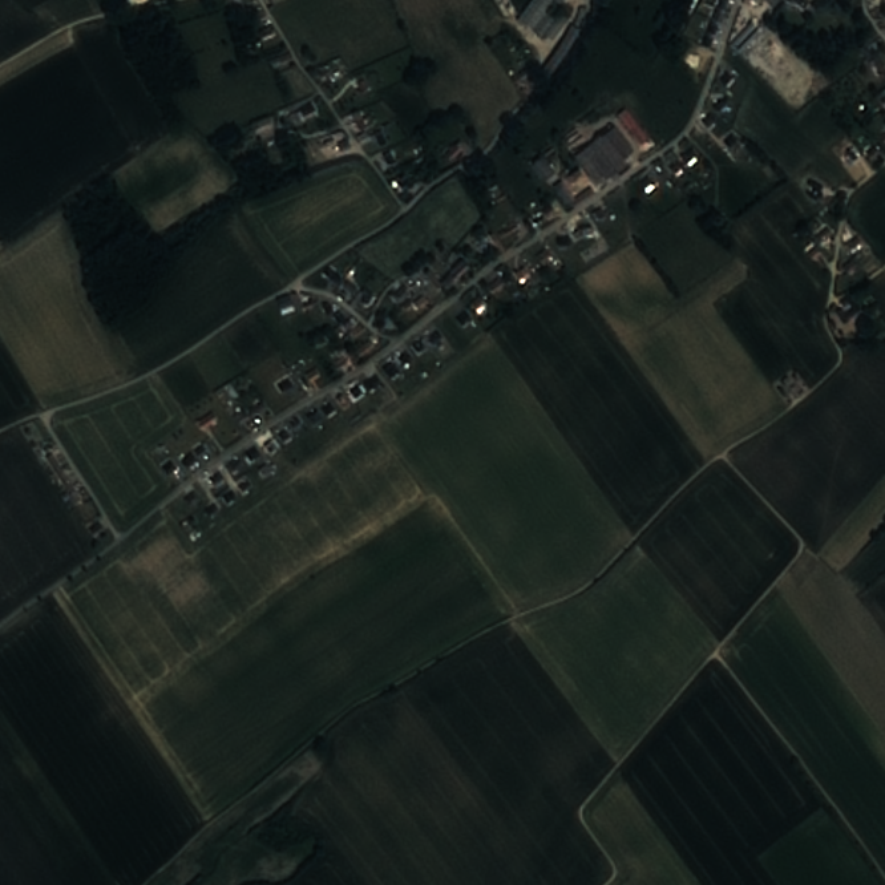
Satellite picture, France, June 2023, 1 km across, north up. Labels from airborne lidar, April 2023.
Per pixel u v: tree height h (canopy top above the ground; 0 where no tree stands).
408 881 0
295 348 0
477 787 0
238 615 0
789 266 0
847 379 0
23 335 0
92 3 0
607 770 0
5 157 0
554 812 0
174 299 0
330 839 0
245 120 0
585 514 0
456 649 0
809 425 0
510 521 0
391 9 0
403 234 0
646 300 0
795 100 0
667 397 0
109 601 0
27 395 0
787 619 0
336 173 0
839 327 0
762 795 0
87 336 0
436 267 0
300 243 0
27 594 0
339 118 0
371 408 0
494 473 0
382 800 0
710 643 0
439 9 0
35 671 0
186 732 0
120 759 0
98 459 0
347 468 0
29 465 0
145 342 0
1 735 0
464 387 0
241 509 0
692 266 0
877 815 0
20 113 0
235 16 16
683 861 0
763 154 10
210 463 0
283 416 0
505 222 0
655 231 0
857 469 0
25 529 0
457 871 0
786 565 0
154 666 0
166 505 0
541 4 0
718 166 0
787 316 0
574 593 0
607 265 0
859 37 10
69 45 0
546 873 0
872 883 0
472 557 0
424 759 0
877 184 0
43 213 0
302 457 0
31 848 0
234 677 0
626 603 0
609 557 0
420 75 15
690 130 0
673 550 0
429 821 0
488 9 0
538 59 0
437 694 0
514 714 0
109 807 0
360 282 0
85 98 0
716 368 0
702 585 0
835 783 0
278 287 0
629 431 0
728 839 0
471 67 0
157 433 0
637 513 0
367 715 0
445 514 0
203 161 0
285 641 0
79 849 0
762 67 0
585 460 0
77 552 0
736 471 0
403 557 0
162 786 0
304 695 0
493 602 0
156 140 0
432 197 0
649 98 0
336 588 0
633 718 0
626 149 0
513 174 0
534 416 0
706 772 0
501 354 0
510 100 0
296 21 0
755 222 0
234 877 0
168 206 0
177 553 0
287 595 0
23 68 0
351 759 0
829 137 0
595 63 0
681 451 0
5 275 0
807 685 0
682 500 0
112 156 0
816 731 0
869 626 0
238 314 0
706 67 0
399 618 0
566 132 0
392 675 0
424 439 0
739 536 0
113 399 0
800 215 0
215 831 0
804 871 0
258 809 0
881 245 0
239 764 0
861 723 0
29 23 0
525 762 0
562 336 0
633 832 0
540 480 0
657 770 0
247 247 0
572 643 0
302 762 0
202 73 0
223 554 0
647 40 0
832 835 0
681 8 20
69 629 0
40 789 0
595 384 0
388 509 0
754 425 0
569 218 0
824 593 0
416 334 0
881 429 0
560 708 0
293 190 0
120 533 0
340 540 0
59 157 0
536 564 0
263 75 0
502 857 0
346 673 0
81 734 0
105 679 0
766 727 0
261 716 0
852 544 0
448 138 0
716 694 0
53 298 0
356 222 0
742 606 0
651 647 0
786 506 0
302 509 0
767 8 0
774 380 0
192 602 0
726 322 0
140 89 0
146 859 0
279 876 0
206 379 0
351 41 0
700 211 7
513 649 0
